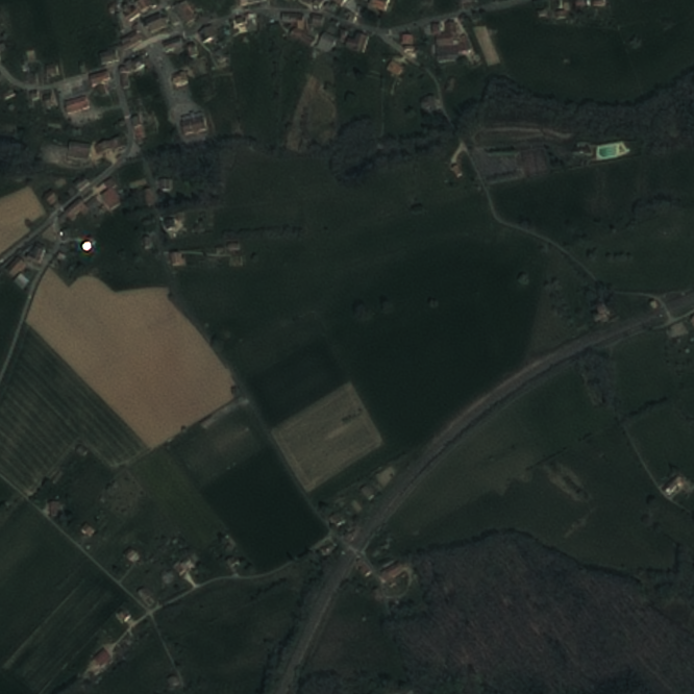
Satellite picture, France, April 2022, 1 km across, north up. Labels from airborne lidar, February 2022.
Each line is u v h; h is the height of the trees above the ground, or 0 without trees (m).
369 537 0
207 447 0
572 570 26
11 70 0
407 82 0
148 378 0
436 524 0
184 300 0
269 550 0
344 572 0
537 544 21
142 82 0
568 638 25
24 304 0
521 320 0
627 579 20
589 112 19
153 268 0
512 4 0
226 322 0
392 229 0
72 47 0
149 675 0
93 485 0
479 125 34
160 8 0
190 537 0
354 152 23
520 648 28
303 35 0
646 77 0
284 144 0
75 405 0
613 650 26
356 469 0
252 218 0
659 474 0
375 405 0
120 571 10
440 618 28
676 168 0
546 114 23
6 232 0
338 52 12
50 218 0
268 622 0
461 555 23
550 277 0
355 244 0
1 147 20
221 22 0
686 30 0
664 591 20
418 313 0
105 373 0
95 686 16
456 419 0
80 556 0
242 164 0
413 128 0
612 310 21
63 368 0
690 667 24
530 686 26
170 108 0
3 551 0
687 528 0
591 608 28
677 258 0
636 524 0
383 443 0
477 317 0
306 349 0
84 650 0
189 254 0
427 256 0
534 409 0
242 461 0
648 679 22
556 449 0
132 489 0
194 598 0
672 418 0
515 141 0
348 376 0
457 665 27
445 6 0
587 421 0
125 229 0
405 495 0
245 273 0
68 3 0
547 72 0
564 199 0
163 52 0
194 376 0
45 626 0
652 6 0
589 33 0
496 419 0
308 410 0
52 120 0
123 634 0
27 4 0
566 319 8
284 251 0
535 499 0
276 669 18
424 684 20
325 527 0
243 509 0
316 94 0
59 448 0
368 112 0
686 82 19
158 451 0
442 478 0
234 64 0
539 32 0
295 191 0
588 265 0
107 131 0
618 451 0
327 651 0
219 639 0
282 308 0
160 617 0
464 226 0
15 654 0
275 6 0
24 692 0
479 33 0
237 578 0
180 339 0
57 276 0
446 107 0
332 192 0
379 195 0
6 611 0
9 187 0
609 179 0
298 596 0
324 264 0
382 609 0
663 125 24
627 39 0
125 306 0
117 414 0
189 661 0
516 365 0
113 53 0
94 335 0
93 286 0
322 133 0
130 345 0
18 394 0
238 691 0
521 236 0
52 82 0
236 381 0
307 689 22
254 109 0
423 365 0
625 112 19
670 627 30
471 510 0
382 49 0
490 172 0
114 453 0
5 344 0
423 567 13
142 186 0
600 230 0
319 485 0
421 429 0
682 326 0
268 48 0
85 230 0
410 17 0
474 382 0
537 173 0
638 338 0
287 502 0
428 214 0
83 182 0
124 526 0
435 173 0
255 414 0
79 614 0
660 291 0
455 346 0
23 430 0
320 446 0
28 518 0
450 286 0
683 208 10
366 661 0
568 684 26
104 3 0
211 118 0
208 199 24
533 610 29
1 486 0
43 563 0
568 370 0
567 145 0
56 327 0
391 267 0
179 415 0
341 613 0
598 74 0
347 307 0
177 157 25
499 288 0
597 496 0
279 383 0
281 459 0
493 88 23
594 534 0
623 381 0
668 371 0
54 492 0
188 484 0
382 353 0
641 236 0
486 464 0
